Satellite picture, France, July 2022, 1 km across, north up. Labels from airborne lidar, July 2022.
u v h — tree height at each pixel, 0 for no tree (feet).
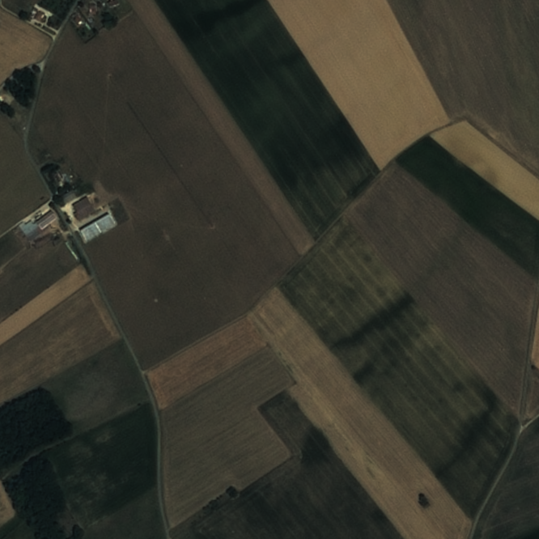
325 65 0
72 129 0
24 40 0
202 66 0
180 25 0
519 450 0
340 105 0
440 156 0
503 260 0
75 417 0
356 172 0
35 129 0
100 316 0
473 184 0
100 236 0
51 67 0
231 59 0
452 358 0
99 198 0
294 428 0
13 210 0
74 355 0
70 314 0
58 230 0
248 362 0
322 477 0
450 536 0
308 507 0
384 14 0
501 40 0
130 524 0
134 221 0
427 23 0
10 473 0
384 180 0
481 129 0
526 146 0
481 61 0
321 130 0
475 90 0
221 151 0
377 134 0
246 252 0
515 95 0
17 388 0
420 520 0
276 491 0
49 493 68
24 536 0
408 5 0
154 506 0
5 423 59
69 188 23
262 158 0
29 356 0
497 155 0
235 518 0
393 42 0
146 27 0
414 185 0
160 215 0
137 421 0
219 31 0
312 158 0
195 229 0
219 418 0
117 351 0
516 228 0
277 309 0
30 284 0
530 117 0
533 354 0
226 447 0
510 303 0
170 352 0
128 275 0
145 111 0
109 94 0
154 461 0
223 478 0
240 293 0
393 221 0
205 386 0
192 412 0
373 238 0
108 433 0
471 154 0
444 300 0
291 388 0
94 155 0
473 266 0
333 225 0
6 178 0
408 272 0
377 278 0
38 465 70
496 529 0
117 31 0
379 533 0
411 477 0
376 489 0
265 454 0
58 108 0
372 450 0
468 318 0
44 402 60
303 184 0
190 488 0
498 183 0
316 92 0
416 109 0
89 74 0
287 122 0
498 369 0
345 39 0
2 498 0
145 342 0
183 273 0
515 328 0
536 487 0
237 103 0
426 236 0
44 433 72
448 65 0
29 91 65
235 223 0
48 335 0
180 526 0
